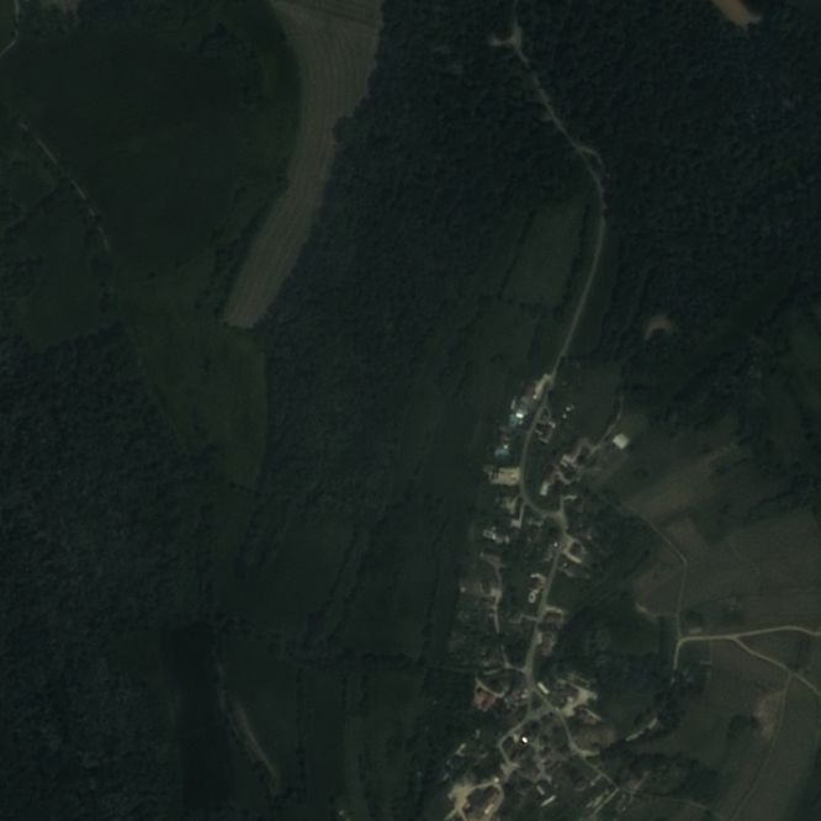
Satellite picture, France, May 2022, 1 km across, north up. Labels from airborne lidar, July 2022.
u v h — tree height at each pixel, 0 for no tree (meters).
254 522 9
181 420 0
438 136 22
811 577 0
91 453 28
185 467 23
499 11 21
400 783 0
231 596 0
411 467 0
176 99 0
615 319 14
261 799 0
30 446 27
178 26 12
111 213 0
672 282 15
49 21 17
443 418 0
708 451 6
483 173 23
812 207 25
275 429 18
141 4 21
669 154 22
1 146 0
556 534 11
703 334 17
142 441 25
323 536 0
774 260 18
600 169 21
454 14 21
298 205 0
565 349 0
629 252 14
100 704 30
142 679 0
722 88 20
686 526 0
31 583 24
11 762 25
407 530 0
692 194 18
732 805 0
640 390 14
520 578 0
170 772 8
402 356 21
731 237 20
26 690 24
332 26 0
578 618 14
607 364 9
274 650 17
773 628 0
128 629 10
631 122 24
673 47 11
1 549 22
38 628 28
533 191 19
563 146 20
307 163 0
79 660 8
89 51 0
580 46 11
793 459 0
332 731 0
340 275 25
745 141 18
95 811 27
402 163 24
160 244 0
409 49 21
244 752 10
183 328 0
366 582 9
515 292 0
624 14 22
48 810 26
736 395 11
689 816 0
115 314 21
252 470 0
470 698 7
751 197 8
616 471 0
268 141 0
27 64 0
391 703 0
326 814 0
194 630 0
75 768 27
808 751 0
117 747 24
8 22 0
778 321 10
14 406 25
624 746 13
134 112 0
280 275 0
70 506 28
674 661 0
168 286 0
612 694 8
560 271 0
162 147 0
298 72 0
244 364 0
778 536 0
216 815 14
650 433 0
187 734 0
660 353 19
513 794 11
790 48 25
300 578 0
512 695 0
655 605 0
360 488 17
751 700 0
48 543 24
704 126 21
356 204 26
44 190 0
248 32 0
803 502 12
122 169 0
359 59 0
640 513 0
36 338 0
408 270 25
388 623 0
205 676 0
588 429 0
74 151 0
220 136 0
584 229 7
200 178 0
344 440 19
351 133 24
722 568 0
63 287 0
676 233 23
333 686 0
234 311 0
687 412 12
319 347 29
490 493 0
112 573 24
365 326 22
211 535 10
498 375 0
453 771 9
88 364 27
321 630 19
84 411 30
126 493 17
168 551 31
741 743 0
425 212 28
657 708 8
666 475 0
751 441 10
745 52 19
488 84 21
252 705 0
